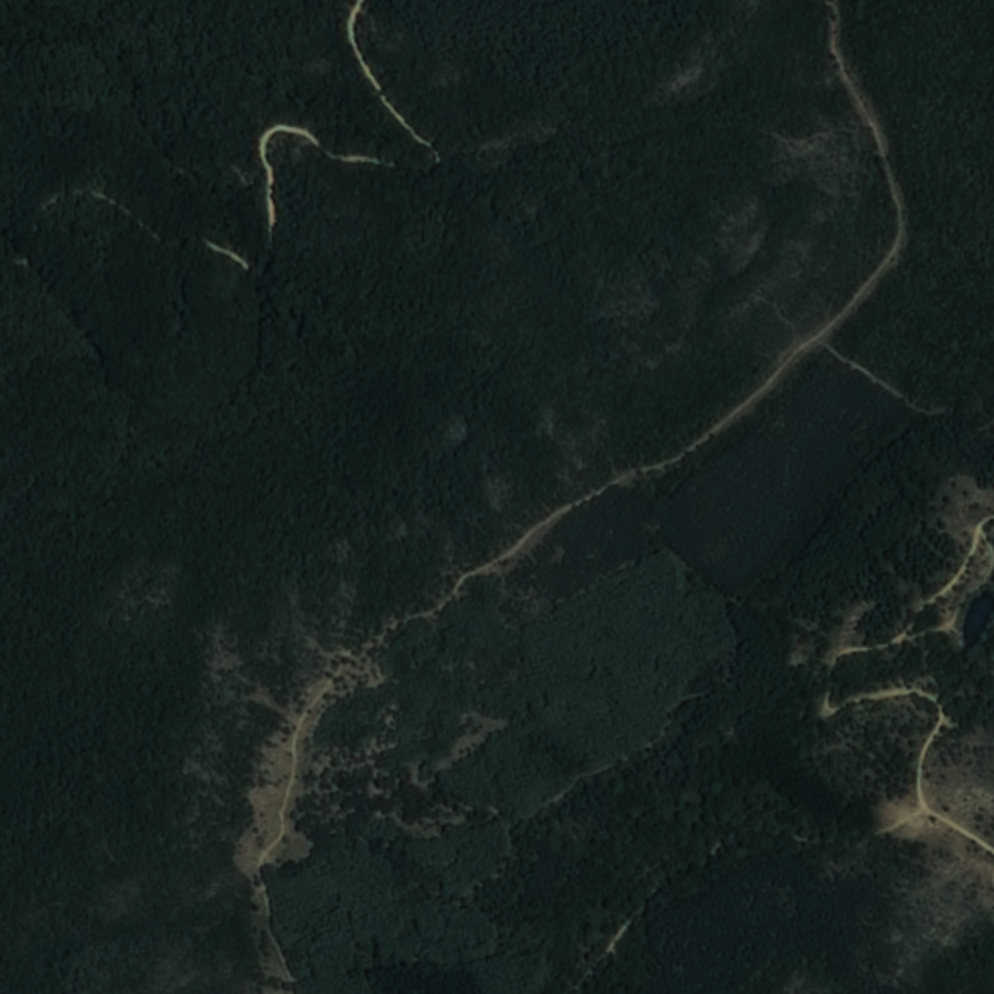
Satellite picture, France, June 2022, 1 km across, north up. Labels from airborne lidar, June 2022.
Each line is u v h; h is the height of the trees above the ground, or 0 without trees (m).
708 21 6
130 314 10
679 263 6
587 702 10
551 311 8
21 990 6
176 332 15
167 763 10
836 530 17
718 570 9
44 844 10
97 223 15
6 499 11
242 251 12
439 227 16
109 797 10
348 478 13
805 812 12
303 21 7
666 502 8
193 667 9
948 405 9
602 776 10
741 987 10
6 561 15
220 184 15
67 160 15
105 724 11
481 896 11
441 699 8
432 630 12
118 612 6
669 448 6
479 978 20
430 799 16
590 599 9
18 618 11
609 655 14
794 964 6
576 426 6
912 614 7
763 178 6
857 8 10
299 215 10
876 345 7
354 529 11
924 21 6
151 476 15
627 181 9
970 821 0
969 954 11
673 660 12
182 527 11
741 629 18
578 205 9
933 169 7
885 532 19
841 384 8
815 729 11
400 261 13
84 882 7
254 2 10
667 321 7
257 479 12
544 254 6
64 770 19
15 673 10
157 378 14
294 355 17
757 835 14
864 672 11
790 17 6
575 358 6
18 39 17
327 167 7
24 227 17
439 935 17
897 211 6
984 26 6
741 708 13
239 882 0
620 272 6
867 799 9
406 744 12
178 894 6
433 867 10
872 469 18
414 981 25
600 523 7
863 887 10
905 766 9
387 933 17
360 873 13
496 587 9
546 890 15
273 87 19
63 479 17
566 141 8
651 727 11
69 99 15
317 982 10
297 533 10
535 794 12
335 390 15
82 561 13
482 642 12
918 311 7
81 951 8
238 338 13
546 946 12
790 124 6
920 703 7
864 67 6
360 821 13
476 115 6
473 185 9
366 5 6
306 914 14
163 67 10
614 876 14
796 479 7
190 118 11
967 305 7
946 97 7
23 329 17
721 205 6
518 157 7
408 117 7
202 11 14
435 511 8
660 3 15
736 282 7
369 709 6
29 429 8
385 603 6
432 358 16
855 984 8
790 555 7
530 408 10
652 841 11
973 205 6
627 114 10
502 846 15
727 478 7
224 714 6
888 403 7
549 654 12
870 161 7
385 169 13
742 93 9
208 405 13
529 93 7
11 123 9
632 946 7
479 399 13
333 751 10
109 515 17
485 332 6
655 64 9
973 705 10
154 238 16
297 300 18
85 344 16
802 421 6
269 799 0
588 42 12
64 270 12
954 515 0
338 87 9
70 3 12
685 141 9
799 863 14
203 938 8
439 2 16
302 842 0
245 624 5
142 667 8
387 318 15
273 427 17
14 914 9
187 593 9
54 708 10
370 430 13
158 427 15
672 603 12
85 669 7
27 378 12
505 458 6
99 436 17
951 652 7
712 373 6
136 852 6
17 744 8
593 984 11
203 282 13
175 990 6
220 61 13
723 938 11
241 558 8
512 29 19
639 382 5
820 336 0
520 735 17
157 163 16
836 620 6
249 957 5
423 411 9
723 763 14
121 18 7
